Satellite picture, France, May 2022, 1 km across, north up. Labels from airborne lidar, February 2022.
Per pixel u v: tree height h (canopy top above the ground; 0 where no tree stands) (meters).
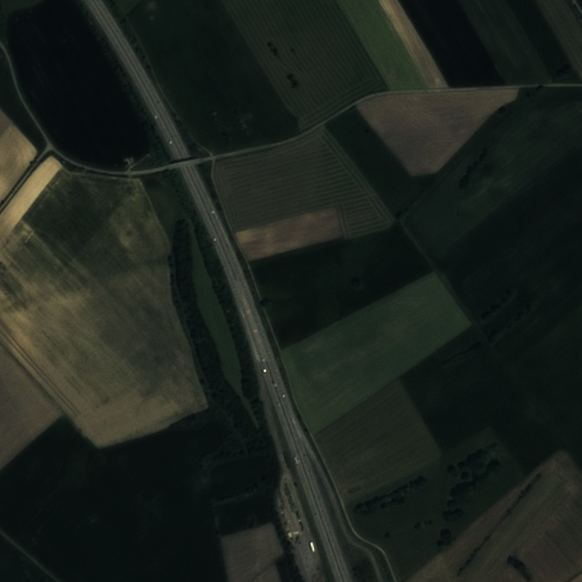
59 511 0
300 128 0
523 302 0
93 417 0
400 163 0
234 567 0
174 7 0
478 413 0
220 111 0
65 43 0
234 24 0
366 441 0
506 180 0
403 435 0
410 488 7
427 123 0
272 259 0
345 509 0
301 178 0
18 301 0
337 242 0
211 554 0
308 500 0
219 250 0
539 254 0
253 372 10
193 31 0
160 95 0
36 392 0
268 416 0
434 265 0
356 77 0
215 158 0
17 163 0
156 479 0
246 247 0
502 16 0
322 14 0
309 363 0
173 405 0
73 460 0
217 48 0
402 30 0
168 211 0
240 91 0
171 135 0
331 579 0
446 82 0
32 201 0
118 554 0
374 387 0
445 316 0
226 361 0
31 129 0
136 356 0
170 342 0
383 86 0
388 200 0
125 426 0
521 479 0
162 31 0
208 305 0
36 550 0
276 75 0
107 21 0
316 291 0
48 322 0
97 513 0
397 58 0
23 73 0
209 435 0
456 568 0
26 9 0
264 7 0
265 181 0
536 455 0
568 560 0
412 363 0
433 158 0
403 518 0
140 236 0
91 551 0
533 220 0
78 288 0
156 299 0
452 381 0
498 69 0
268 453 8
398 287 0
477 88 0
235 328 8
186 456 0
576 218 0
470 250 0
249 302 0
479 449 0
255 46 0
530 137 0
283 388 0
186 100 0
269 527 0
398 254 0
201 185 0
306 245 0
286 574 0
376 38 0
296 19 0
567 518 0
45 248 0
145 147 0
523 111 0
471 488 18
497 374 0
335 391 0
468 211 0
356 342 0
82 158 0
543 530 0
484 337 0
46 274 0
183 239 16
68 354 0
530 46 0
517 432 0
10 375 0
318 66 0
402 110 0
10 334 0
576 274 0
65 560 0
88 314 0
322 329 0
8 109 0
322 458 0
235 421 10
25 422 0
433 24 0
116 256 0
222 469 0
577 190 0
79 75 0
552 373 0
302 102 0
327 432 0
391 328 0
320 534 0
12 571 0
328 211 0
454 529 0
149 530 0
